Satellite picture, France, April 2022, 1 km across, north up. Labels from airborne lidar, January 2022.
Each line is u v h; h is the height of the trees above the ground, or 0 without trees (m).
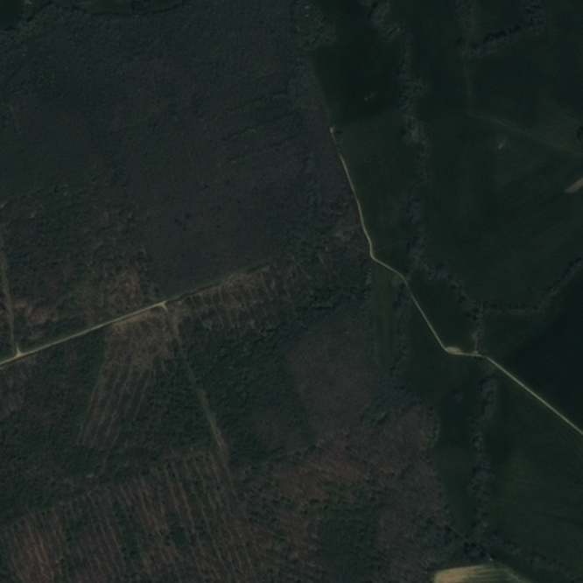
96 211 6
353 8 0
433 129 0
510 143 0
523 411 0
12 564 15
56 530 15
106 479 6
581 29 0
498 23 0
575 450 0
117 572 14
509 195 0
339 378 12
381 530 17
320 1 0
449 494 0
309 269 17
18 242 7
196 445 14
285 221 16
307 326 14
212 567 15
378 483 16
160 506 11
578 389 0
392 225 0
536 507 0
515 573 0
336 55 0
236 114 12
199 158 10
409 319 18
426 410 20
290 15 14
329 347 14
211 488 13
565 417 0
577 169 0
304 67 18
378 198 0
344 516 10
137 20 11
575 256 0
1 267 7
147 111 13
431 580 12
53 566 17
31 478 7
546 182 0
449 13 0
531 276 0
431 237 0
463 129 0
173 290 10
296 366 13
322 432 13
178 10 13
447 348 0
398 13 0
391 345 0
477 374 0
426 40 0
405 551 17
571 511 0
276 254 11
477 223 0
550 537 0
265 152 12
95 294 0
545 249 0
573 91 0
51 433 6
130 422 9
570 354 0
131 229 12
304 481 15
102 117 19
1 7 0
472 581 0
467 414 0
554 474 0
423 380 0
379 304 0
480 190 0
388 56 0
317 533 16
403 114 6
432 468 17
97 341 8
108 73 11
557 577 0
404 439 20
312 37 18
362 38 0
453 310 0
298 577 15
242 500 8
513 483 0
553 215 0
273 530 16
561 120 0
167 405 8
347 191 11
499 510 0
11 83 13
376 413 13
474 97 0
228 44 14
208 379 9
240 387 10
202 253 11
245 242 12
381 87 0
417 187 0
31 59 8
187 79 14
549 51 0
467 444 0
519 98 0
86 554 12
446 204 0
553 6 0
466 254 0
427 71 0
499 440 0
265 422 10
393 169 0
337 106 0
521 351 0
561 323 0
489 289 0
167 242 8
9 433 9
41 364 7
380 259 0
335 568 19
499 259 0
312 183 16
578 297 0
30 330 7
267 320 8
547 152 0
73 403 10
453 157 0
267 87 12
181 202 11
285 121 14
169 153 11
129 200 11
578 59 0
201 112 12
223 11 14
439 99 0
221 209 12
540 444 0
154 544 14
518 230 0
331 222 20
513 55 0
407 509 16
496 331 0
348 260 10
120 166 15
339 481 14
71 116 10
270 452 11
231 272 8
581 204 0
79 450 7
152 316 0
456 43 0
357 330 13
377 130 0
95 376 8
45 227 10
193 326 7
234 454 12
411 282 0
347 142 0
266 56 14
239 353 10
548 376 0
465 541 11
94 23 10
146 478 12
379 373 12
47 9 13
